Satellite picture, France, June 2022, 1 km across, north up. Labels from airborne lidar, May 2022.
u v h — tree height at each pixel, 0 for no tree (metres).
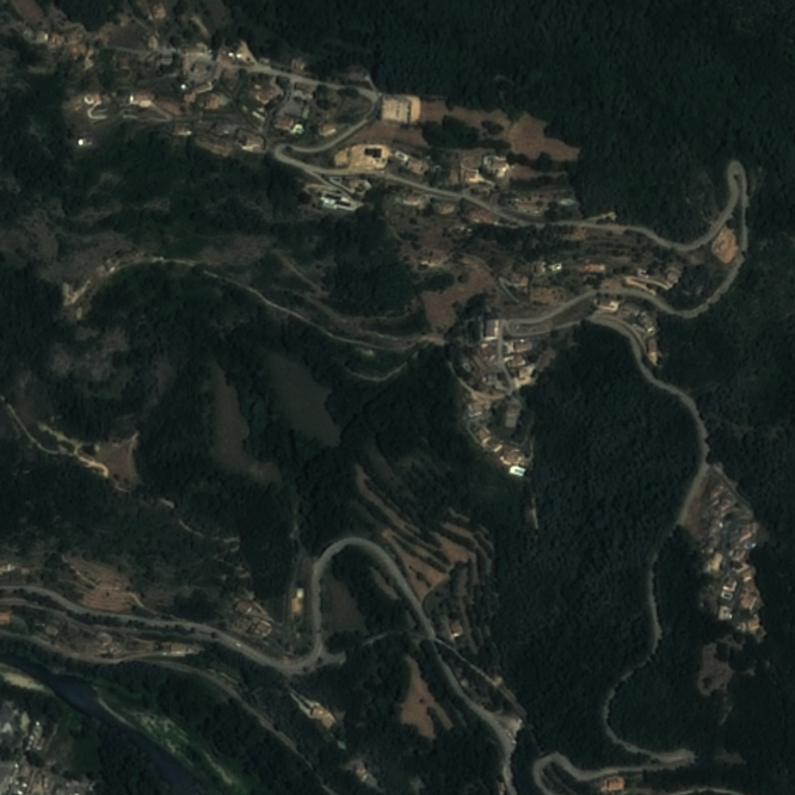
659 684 17
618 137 16
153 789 33
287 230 6
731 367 11
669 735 12
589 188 18
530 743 19
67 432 5
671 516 19
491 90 16
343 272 12
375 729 15
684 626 16
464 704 16
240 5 11
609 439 22
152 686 30
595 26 19
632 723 18
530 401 11
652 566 11
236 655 15
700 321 9
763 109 22
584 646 16
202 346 7
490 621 7
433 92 26
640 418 19
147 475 12
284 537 14
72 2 31
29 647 18
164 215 12
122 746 23
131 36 0
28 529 9
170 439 16
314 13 16
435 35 9
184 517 10
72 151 11
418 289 11
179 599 10
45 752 0
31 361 11
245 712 11
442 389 15
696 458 10
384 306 14
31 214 8
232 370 17
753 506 11
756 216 13
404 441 15
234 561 9
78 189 10
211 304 9
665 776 18
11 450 7
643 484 30
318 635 0
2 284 11
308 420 0
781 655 16
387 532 0
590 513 17
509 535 17
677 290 12
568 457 12
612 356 13
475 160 0
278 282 8
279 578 15
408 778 10
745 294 8
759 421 22
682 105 17
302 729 13
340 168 0
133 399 12
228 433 0
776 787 6
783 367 6
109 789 21
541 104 12
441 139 10
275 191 17
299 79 0
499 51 12
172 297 9
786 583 17
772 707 7
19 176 17
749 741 15
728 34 19
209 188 7
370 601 21
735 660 15
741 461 21
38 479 17
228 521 16
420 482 9
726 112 19
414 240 8
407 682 10
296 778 35
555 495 28
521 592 12
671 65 17
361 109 0
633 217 11
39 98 11
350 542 0
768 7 11
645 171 16
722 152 16
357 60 12
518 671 20
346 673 13
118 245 0
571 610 13
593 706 15
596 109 17
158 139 11
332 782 11
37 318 23
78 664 6
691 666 15
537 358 7
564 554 18
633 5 19
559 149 0
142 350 11
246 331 12
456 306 12
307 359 17
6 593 12
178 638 7
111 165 6
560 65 14
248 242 0
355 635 14
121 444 0
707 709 9
